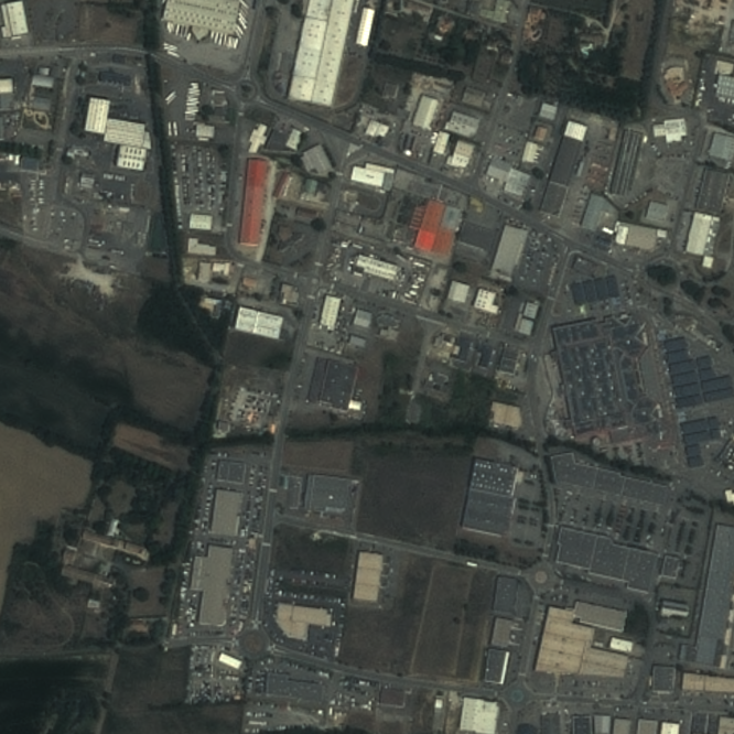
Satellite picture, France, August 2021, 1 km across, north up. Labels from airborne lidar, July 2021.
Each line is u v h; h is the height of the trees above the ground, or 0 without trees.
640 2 0
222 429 0
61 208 0
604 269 0
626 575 0
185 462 0
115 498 0
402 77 0
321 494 0
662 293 0
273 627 0
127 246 0
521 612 0
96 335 0
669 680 0
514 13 0
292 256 0
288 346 0
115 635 15
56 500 0
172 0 0
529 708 0
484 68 0
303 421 0
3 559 0
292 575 0
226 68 0
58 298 0
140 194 0
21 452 0
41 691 0
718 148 0
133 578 0
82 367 0
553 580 0
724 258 0
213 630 0
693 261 0
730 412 0
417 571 0
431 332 0
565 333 0
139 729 0
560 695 0
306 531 0
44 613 0
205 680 0
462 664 0
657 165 0
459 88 0
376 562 0
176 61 0
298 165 8
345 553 0
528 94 10
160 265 0
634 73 0
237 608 0
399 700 0
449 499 0
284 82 0
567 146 0
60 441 10
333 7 0
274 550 0
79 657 0
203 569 0
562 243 0
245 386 0
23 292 0
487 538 0
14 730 0
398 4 9
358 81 0
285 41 0
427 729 0
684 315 0
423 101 0
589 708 0
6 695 0
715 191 0
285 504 0
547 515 6
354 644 0
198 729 0
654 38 8
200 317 11
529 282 0
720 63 0
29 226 0
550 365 0
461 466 0
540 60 10
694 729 0
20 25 0
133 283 0
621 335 0
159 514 9
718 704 0
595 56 9
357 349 0
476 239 0
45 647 0
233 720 0
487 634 0
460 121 0
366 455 0
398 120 0
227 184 0
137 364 0
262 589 0
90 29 0
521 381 0
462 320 0
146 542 6
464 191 0
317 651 0
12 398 0
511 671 0
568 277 0
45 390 0
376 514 0
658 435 0
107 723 0
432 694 0
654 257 0
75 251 0
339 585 0
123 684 0
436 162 0
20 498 0
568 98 12
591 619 0
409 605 0
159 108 13
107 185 0
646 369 0
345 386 0
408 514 0
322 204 0
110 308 0
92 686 0
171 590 16
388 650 0
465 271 9
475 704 0
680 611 0
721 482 0
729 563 0
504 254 0
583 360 0
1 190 0
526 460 0
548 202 0
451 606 0
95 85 0
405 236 0
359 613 0
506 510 0
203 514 0
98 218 0
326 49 0
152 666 0
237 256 0
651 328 0
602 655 0
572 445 7
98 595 6
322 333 0
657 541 0
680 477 0
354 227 0
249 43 0
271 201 0
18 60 0
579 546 0
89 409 0
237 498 0
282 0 9
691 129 0
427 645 0
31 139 0
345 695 0
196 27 0
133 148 0
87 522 7
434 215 0
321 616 0
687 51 0
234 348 0
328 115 0
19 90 0
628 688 0
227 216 0
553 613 0
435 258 0
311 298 0
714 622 0
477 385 0
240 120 0
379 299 0
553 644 0
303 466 0
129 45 0
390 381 0
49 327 0
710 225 0
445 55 10
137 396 0
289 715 0
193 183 0
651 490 0
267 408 0
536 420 0
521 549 0
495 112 0
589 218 0
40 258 0
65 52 0
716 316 0
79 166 0
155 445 0
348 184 0
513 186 0
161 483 8
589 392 0
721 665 0
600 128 0
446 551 0
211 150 0
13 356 0
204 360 7
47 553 8
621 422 0
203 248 0
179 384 0
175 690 0
